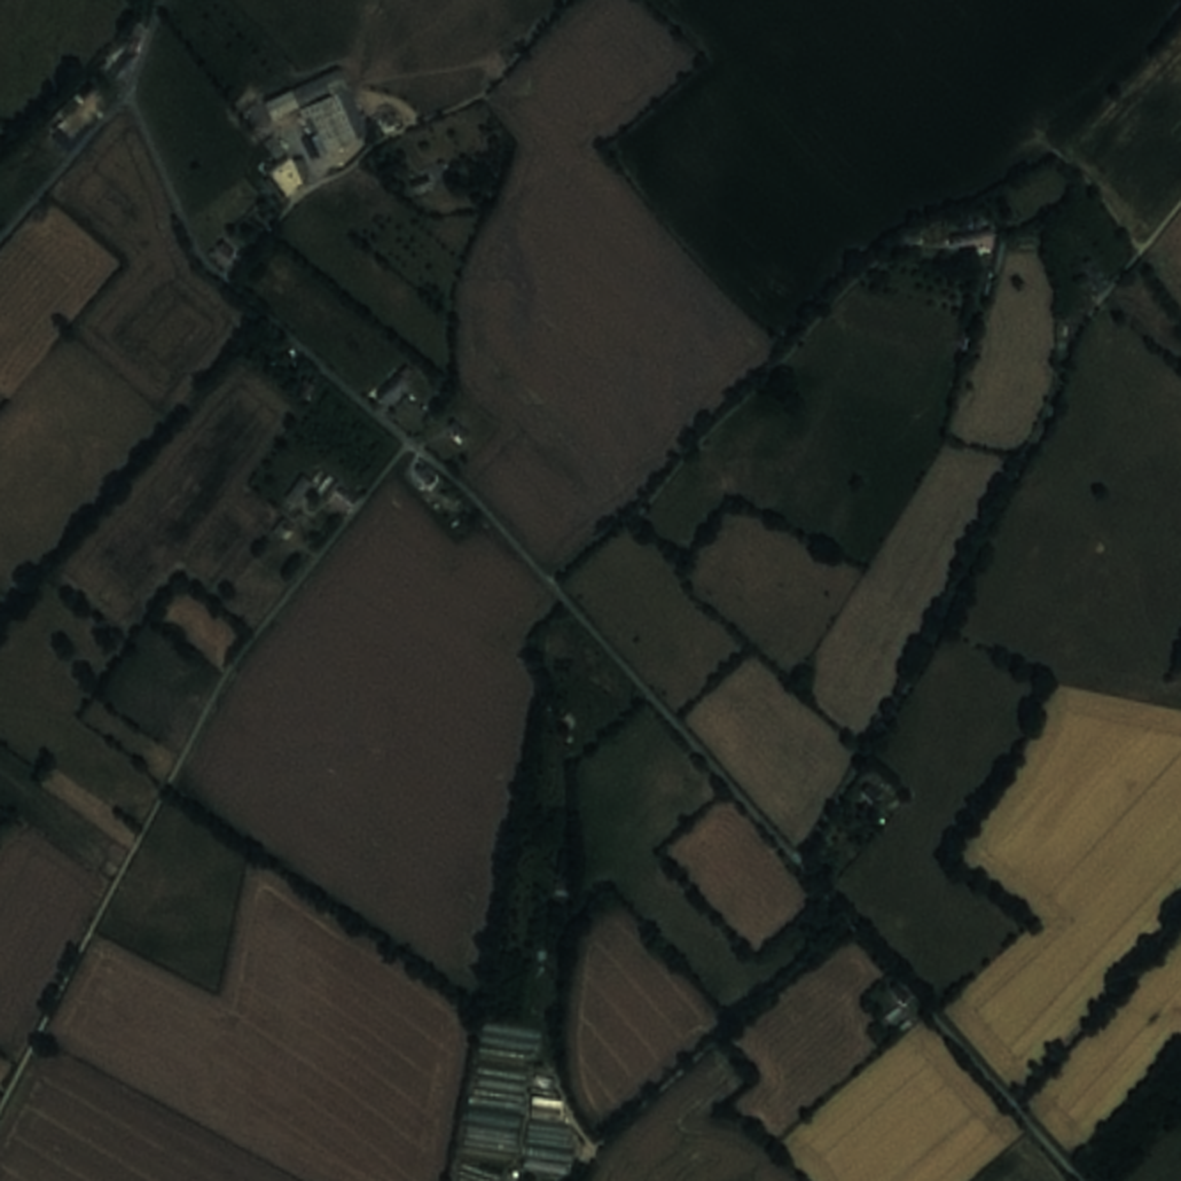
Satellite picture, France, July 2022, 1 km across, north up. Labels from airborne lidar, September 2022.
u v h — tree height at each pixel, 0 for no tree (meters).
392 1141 0
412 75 0
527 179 0
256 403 0
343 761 0
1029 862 0
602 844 0
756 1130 17
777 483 0
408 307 0
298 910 0
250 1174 0
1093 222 0
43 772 13
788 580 0
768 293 0
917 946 0
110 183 0
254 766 0
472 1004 17
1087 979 0
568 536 0
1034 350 0
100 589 0
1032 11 0
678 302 0
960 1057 12
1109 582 0
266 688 0
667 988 0
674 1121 0
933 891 0
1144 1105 10
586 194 0
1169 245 0
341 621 0
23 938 0
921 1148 0
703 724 0
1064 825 0
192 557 0
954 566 12
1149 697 0
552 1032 9
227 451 0
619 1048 0
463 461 10
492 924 13
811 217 0
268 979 0
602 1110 0
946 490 0
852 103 0
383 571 0
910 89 0
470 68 0
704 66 8
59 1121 0
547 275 0
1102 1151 9
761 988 12
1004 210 11
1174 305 8
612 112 0
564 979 10
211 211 0
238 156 0
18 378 0
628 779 0
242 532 0
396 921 0
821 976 0
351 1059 0
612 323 0
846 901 15
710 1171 0
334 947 0
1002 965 0
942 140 0
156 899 0
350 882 0
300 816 0
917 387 0
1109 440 0
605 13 0
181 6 0
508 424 0
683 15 0
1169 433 0
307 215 0
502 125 7
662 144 0
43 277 0
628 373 0
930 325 0
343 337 0
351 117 0
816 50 0
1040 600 0
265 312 9
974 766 0
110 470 0
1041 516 0
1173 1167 0
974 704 0
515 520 0
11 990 0
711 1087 0
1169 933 13
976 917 0
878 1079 0
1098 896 0
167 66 0
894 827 0
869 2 0
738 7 0
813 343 0
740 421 0
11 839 0
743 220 0
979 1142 0
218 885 0
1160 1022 0
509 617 0
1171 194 0
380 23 0
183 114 0
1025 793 0
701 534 11
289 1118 0
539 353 0
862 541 0
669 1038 0
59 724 0
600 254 0
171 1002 0
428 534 0
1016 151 0
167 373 0
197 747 0
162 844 0
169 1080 0
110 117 0
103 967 0
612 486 0
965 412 0
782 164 0
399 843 0
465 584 0
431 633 0
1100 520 0
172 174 0
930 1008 21
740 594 0
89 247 0
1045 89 0
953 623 13
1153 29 0
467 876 0
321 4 0
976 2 0
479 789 0
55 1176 0
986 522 14
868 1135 0
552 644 0
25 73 0
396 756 0
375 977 0
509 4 0
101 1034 0
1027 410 0
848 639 0
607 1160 0
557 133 0
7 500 0
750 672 0
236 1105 0
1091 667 0
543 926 8
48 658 0
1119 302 0
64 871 0
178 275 0
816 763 0
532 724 15
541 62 0
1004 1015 0
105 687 8
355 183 0
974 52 0
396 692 0
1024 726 17
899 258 11
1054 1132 0
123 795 0
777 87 0
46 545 0
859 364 0
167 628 6
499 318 0
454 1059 0
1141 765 0
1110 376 0
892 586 0
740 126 0
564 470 0
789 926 8
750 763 0
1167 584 0
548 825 10
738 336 0
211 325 0
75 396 0
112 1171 0
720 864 0
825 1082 0
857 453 0
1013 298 0
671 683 0
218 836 14
